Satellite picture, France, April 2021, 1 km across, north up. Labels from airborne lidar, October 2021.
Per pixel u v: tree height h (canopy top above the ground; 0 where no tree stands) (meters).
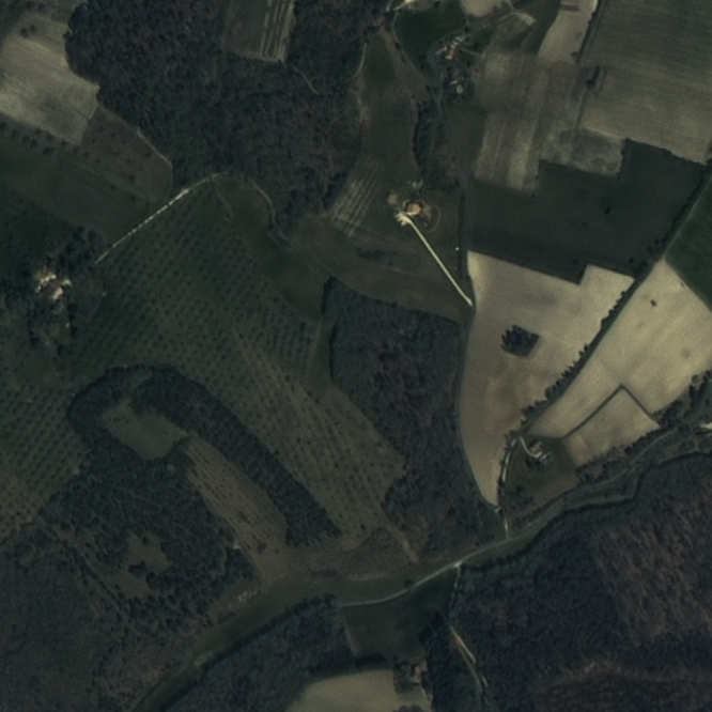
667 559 15
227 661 21
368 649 0
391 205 0
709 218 0
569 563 22
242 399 7
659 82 0
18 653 13
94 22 14
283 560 0
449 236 0
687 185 0
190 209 8
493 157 0
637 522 20
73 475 9
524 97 0
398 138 0
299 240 0
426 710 0
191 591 20
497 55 0
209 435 15
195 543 14
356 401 17
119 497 16
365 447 9
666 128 0
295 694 23
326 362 0
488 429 0
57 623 19
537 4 0
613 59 0
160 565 0
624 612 17
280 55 0
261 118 14
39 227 0
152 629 15
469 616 22
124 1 14
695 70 0
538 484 0
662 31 0
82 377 0
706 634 18
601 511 16
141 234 8
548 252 0
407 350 15
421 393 10
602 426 0
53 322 8
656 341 0
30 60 0
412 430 11
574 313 0
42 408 8
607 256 0
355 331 22
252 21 0
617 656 18
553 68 0
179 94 16
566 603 15
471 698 25
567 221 0
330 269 0
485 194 0
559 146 0
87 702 9
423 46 0
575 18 0
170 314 8
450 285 0
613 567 20
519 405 0
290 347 10
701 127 0
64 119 0
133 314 7
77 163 0
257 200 0
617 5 0
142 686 9
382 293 0
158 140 17
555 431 0
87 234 14
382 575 0
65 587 10
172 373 16
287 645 21
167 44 17
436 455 17
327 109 12
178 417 18
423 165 13
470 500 20
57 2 0
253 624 0
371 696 0
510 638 19
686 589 8
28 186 0
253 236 0
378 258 8
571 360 0
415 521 16
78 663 17
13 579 14
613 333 0
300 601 0
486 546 20
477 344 0
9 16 24
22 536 10
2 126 7
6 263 0
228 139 17
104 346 7
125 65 16
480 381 0
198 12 15
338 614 17
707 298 0
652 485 20
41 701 17
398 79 0
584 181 0
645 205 0
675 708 13
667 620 18
